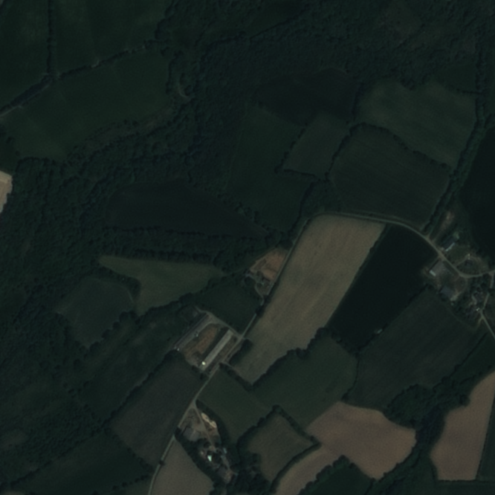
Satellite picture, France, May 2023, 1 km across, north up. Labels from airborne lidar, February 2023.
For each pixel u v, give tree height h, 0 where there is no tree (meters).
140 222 0
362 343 0
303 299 0
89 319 0
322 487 0
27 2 0
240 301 0
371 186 0
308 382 0
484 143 0
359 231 0
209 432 0
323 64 14
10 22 0
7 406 0
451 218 0
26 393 0
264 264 0
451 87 7
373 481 11
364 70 21
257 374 0
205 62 14
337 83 0
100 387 0
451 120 0
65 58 0
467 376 0
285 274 0
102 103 0
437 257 0
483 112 16
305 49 20
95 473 0
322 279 0
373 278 0
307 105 0
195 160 24
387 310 0
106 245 9
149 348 0
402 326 0
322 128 0
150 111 0
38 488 0
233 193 0
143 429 0
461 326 0
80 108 0
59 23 0
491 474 0
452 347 0
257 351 0
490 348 0
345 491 0
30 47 0
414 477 10
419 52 6
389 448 0
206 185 17
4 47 0
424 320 0
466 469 0
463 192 0
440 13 7
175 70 17
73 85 0
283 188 0
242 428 0
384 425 0
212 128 20
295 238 10
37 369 0
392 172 0
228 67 17
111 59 11
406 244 0
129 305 0
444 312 0
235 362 7
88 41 0
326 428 0
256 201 0
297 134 0
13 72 0
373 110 0
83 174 20
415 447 7
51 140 0
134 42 0
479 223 0
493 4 9
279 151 0
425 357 0
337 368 0
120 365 0
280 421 0
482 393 0
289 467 7
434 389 7
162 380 0
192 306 0
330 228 0
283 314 0
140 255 18
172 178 17
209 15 0
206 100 15
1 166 8
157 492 0
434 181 0
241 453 14
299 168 0
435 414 33
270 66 19
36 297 6
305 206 18
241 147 0
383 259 0
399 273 0
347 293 0
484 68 16
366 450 0
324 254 0
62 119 0
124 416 0
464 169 16
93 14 0
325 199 18
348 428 0
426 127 0
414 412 8
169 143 9
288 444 0
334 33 10
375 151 0
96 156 19
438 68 11
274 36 9
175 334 0
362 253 0
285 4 0
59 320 18
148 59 0
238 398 0
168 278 0
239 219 0
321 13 9
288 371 0
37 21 0
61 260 7
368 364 0
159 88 0
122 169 8
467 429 0
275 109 0
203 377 10
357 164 0
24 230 13
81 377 0
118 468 0
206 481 0
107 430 9
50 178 20
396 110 0
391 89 0
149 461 0
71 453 7
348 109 0
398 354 0
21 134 0
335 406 0
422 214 0
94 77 0
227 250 20
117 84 0
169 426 0
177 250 12
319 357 0
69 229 16
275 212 0
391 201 0
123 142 18
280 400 0
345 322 0
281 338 0
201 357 0
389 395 0
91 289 0
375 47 13
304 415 0
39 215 8
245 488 7
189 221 0
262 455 0
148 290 0
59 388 0
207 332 0
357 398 0
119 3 0
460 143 0
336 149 0
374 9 16
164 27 16
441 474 0
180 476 0
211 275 0
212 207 0
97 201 18
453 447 0
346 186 0
